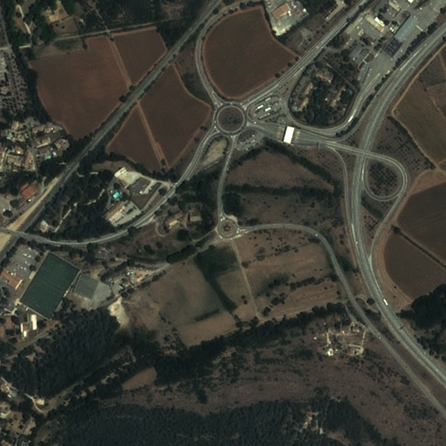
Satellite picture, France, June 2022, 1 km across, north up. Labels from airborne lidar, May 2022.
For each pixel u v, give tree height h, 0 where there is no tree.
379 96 0
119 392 7
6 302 16
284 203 0
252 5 14
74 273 0
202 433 6
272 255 0
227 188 8
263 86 0
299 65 0
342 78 11
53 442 7
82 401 14
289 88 0
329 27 0
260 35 0
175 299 0
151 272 0
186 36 0
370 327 0
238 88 0
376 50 9
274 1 0
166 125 0
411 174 0
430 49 0
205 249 0
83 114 0
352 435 7
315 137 0
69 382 11
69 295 0
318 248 0
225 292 0
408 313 9
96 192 7
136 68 0
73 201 13
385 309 0
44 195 0
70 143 13
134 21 7
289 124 0
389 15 0
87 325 13
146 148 0
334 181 8
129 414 8
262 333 6
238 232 0
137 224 0
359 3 0
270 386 0
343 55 10
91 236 16
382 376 6
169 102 0
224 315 0
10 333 11
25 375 16
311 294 0
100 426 9
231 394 0
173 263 15
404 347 0
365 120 0
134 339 7
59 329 15
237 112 0
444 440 0
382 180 6
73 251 10
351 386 0
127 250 0
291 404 13
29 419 14
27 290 0
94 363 9
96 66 0
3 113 9
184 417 7
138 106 0
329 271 0
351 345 0
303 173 0
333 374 0
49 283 0
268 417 12
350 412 12
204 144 0
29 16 21
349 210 0
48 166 12
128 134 0
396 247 0
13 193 12
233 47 0
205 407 0
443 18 0
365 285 0
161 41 0
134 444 6
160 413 11
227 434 11
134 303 0
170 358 14
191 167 0
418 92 0
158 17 10
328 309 11
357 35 0
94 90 0
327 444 9
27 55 13
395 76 0
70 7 22
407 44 0
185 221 0
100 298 0
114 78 0
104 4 9
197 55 0
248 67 0
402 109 0
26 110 9
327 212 0
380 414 0
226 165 0
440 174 0
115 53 0
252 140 0
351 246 0
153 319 0
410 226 0
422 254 0
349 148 0
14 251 9
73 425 7
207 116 0
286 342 6
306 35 0
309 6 8
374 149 0
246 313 0
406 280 0
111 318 14
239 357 5
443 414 0
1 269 10
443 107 0
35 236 0
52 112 0
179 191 16
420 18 0
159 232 0
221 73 0
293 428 10
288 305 0
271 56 0
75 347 10
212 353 12
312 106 12
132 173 0
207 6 0
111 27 6
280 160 0
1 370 10
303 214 0
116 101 0
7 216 14
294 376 0
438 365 0
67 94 0
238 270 0
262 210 0
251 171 0
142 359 12
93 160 12
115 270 8
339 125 0
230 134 0
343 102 14
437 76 0
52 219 6
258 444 12
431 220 0
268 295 8
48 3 10
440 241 0
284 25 0
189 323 0
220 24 0
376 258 0
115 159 14
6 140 12
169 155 0
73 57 0
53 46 0
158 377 7
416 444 0
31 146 8
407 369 0
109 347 13
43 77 0
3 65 0
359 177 0
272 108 0
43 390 14
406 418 0
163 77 0
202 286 0
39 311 0
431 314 13
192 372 5
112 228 8
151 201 0
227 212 7
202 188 24
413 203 0
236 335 12
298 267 0
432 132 0
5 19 6
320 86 13
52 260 0
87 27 6
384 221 0
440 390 0
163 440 5
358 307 0
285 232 0
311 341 0
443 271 0
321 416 12
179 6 0
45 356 13
